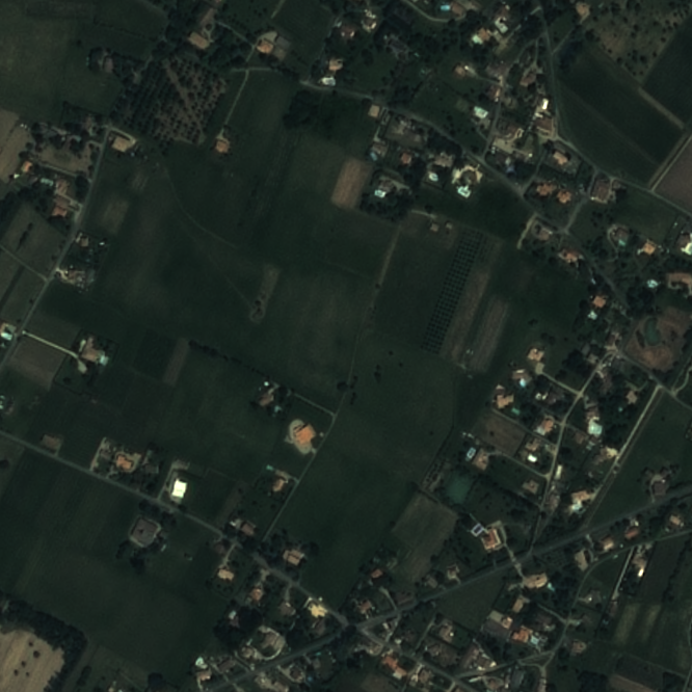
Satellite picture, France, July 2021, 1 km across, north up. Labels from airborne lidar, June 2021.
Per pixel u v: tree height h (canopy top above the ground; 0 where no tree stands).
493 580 0
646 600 0
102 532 0
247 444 0
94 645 0
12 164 0
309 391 0
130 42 0
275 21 0
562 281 0
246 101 0
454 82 0
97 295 0
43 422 0
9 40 0
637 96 0
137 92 7
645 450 0
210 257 0
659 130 0
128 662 0
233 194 0
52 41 0
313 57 0
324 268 0
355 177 0
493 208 0
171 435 0
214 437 0
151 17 0
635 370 7
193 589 0
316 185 0
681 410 0
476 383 0
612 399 9
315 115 9
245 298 0
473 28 8
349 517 0
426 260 0
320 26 0
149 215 0
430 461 0
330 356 0
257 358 0
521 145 10
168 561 0
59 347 0
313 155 0
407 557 0
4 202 7
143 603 0
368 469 0
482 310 0
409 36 9
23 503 0
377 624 0
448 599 0
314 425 0
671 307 0
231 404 0
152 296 0
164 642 0
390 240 0
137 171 0
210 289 0
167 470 0
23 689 0
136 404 0
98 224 0
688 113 0
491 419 0
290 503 0
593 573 0
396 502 0
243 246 0
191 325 0
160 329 0
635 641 0
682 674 0
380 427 0
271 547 7
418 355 0
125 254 0
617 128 0
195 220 0
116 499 0
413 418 0
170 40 12
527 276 0
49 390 0
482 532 0
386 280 0
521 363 0
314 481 0
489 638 6
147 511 21
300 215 0
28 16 0
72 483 0
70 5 0
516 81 0
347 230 0
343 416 0
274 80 0
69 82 0
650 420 0
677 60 0
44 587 0
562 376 7
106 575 0
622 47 0
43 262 0
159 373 0
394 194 9
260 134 0
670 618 0
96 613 0
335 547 0
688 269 8
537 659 0
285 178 0
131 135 0
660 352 0
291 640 16
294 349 0
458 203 0
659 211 0
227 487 0
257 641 0
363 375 0
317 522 0
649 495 6
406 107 8
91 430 0
